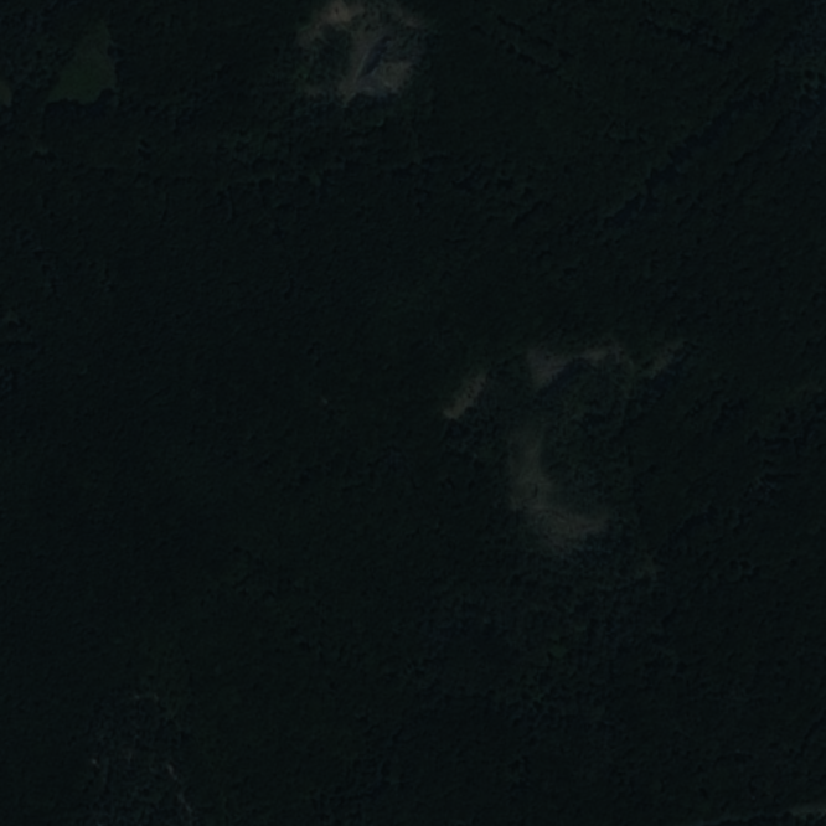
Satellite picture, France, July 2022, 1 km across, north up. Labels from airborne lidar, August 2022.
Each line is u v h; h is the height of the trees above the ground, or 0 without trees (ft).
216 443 53
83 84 0
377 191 74
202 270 73
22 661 55
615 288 95
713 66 85
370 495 86
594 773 71
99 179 66
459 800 72
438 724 73
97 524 70
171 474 40
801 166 92
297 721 76
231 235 75
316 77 34
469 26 65
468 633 79
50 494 67
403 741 79
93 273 68
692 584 51
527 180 68
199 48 67
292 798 72
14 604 61
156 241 70
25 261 74
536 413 28
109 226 69
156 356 64
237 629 61
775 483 72
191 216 71
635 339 40
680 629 61
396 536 87
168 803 62
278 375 58
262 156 23
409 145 59
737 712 61
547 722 44
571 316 65
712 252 91
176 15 78
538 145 88
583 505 32
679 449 79
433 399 64
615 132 73
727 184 82
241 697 72
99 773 58
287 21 49
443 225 68
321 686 69
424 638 68
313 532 82
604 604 20
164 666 33
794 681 69
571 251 95
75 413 67
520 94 77
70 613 46
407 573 84
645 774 62
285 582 71
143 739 72
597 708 69
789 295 89
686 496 71
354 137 49
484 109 60
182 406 71
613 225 95
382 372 66
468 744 85
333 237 65
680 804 78
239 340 64
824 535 85
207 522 52
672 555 52
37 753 52
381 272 58
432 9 49
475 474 74
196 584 59
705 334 63
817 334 85
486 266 74
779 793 59
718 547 73
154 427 51
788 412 35
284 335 58
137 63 75
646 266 89
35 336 58
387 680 77
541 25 67
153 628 64
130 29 71
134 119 78
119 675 57
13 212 70
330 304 68
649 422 73
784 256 94
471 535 68
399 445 87
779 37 85
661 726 60
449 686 61
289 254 63
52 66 30
